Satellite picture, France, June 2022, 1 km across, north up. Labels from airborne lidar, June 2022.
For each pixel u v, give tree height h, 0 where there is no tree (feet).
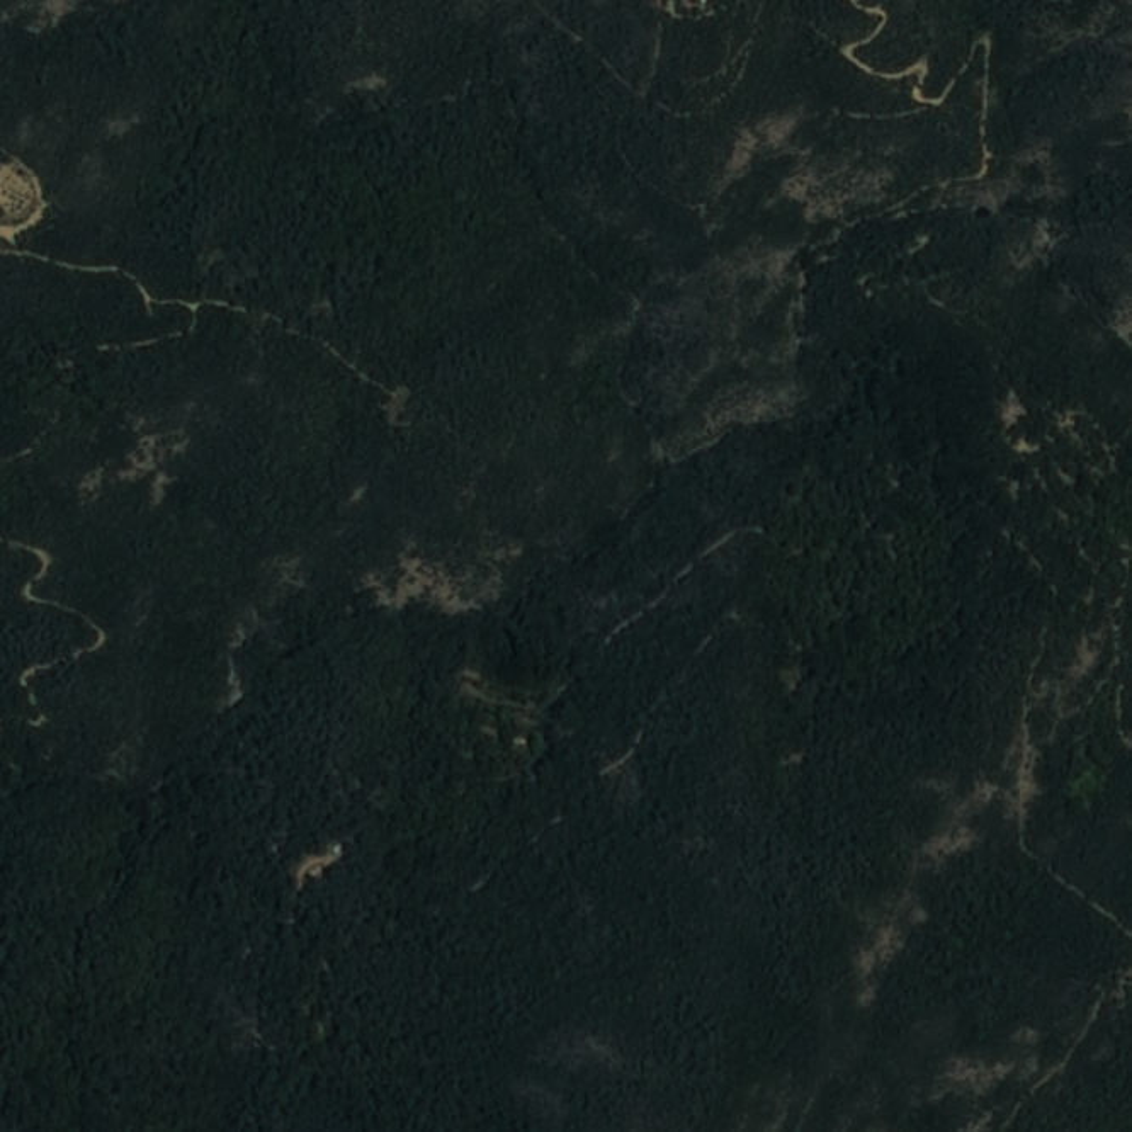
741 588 19
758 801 24
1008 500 41
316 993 41
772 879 50
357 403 28
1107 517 50
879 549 47
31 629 56
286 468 29
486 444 30
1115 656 38
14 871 55
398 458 21
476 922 38
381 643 39
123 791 45
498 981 23
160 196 42
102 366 30
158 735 29
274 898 52
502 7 23
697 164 23
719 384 22
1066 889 24
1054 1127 49
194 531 26
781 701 43
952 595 30
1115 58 22
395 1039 44
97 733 22
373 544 25
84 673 19
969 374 49
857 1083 18
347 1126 53
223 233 32
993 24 50
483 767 59
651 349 25
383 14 21
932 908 20
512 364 41
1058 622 40
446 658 25
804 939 24
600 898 20
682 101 26
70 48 32
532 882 28
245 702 38
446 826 29
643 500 24
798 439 59
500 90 30
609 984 21
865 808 31
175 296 23
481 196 26
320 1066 46
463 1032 20
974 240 23
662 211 22
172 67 36
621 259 43
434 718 39
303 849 39
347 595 22
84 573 36
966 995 30
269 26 41
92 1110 64
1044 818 32
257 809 55
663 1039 19
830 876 45
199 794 53
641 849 23
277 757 65
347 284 53
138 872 48
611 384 41
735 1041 27
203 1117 48
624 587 18
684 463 29
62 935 48
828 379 31
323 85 23
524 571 28
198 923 23
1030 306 29
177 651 29
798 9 31
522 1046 21
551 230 23
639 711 20
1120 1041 33
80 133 20
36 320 29
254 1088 28
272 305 25
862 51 24
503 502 20
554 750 33
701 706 47
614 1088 35
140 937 46
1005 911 37
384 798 26
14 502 33
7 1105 56
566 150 27
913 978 18
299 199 45
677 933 40
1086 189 24
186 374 18
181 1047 53
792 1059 31
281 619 36
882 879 34
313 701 34
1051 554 47
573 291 47
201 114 48
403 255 22
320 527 21
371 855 64
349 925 57
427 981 59
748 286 24
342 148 32
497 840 43
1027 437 25
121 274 26
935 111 26
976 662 43
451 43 40
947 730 42
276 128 36
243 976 32
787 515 54
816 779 24
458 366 51
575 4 23
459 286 21
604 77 36
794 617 68
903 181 23
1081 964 29
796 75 18
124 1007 45
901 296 39
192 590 32
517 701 36
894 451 60
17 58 18
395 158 44
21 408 25
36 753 56
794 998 44
